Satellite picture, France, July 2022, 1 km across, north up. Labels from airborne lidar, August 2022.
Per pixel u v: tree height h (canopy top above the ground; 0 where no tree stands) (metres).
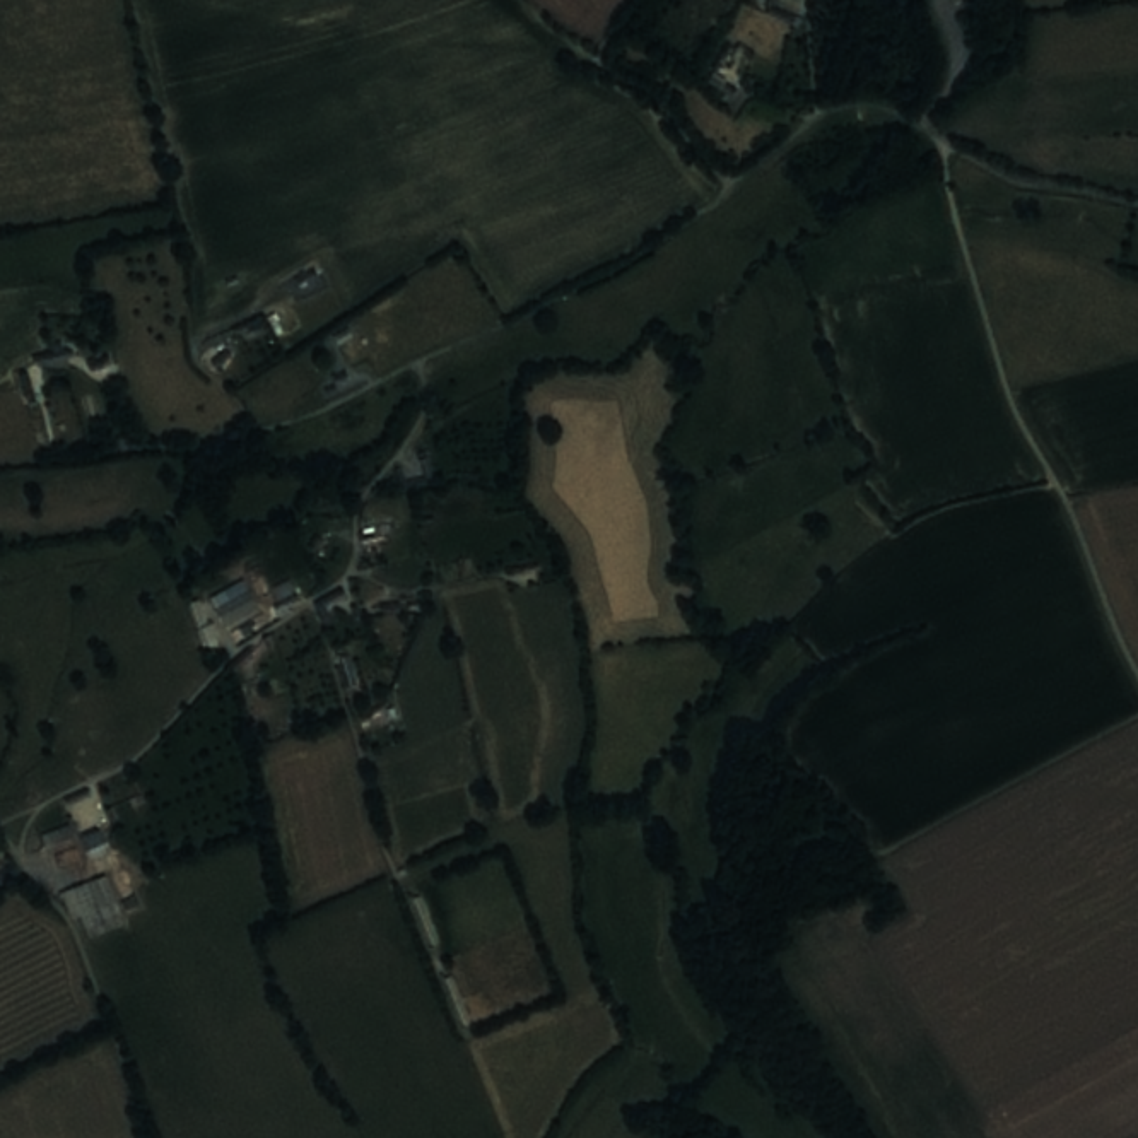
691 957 15
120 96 0
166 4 0
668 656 0
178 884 0
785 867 17
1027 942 0
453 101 0
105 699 0
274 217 0
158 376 0
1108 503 0
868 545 0
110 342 12
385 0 0
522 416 11
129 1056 11
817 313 14
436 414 13
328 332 9
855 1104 15
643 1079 0
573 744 0
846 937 0
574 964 0
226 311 0
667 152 0
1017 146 0
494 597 0
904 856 0
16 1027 0
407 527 0
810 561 0
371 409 0
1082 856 0
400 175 0
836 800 13
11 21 0
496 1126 0
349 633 7
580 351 0
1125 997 0
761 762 21
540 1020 0
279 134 0
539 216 0
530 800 0
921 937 0
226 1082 0
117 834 11
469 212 0
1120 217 0
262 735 10
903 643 6
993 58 9
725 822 28
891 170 17
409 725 0
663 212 0
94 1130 0
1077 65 0
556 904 0
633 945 0
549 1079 0
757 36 0
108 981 0
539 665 0
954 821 0
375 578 0
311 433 0
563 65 13
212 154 0
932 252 0
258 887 0
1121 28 0
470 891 0
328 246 0
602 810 23
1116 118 0
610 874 0
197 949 0
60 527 0
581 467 0
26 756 0
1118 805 0
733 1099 0
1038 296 0
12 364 0
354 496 16
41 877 0
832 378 17
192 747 0
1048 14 11
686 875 9
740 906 19
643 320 0
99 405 0
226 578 0
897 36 28
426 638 0
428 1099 0
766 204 0
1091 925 0
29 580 0
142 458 8
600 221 0
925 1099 0
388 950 0
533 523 9
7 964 0
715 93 7
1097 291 0
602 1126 0
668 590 0
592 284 7
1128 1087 0
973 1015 0
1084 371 0
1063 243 0
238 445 32
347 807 0
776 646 8
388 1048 0
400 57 0
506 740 0
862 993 0
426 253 0
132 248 8
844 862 17
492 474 0
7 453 0
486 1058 0
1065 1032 0
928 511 5
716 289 0
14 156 0
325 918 0
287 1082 0
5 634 0
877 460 7
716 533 0
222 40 0
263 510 0
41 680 0
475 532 0
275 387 0
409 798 0
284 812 0
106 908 0
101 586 0
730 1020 21
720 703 11
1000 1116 0
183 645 0
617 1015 14
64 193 0
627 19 14
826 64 15
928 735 0
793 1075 22
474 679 0
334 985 0
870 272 0
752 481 0
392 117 0
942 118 7
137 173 0
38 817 0
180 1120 0
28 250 0
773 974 14
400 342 0
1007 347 0
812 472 0
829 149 7
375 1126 0
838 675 15
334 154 0
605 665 0
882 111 0
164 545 14
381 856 0
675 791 0
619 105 0
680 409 7
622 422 0
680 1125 15
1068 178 9
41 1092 0
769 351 0
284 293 0
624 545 0
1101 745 0
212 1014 0
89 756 0
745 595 0
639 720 0
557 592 0
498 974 0
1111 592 0
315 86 0
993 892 0
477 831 17
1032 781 0
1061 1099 0
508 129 0
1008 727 0
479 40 0
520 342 0
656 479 0
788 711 20
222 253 0
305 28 0
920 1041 0
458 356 0
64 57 0
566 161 0
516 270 0
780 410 0
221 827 0
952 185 8
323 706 6
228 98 0
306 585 0
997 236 0
